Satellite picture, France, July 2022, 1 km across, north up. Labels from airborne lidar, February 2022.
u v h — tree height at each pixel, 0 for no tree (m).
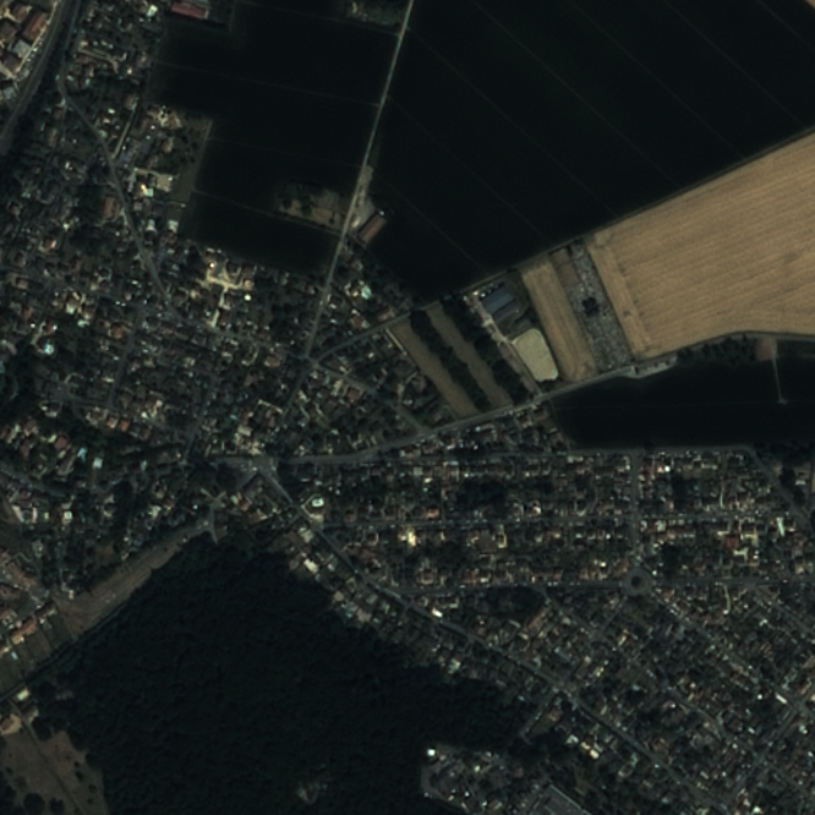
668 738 0
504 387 6
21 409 19
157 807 20
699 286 0
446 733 19
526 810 0
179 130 5
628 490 0
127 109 6
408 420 0
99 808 0
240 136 0
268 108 0
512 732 16
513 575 0
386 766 20
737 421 0
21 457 19
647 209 0
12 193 17
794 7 0
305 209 8
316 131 0
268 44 0
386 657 11
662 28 0
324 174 0
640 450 0
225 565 19
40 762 0
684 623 0
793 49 0
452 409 0
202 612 23
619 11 0
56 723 14
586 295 0
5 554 0
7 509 0
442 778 0
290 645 26
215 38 0
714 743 0
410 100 0
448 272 0
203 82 0
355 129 0
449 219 0
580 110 0
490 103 0
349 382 0
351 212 0
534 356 0
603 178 0
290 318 9
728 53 0
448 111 0
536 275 0
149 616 17
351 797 13
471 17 0
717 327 0
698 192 0
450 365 8
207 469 15
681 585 0
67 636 0
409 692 23
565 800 0
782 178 0
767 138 0
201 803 20
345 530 9
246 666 25
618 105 0
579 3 0
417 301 14
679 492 17
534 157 0
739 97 0
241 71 0
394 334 0
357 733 19
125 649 20
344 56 0
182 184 0
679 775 7
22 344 13
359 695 17
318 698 20
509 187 0
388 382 14
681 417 0
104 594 0
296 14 0
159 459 0
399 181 0
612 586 0
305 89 0
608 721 0
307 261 0
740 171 0
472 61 0
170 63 0
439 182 0
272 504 0
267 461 0
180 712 23
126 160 0
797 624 0
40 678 6
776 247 0
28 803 11
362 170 0
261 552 6
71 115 11
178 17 11
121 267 0
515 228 0
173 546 0
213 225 0
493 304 0
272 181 0
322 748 20
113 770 18
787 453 17
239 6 0
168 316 0
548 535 0
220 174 0
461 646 9
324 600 18
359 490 10
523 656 0
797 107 0
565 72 0
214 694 22
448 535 0
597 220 0
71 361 6
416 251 0
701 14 0
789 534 6
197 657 21
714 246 0
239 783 23
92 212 6
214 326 0
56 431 13
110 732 21
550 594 15
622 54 0
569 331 0
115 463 6
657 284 0
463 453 11
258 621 21
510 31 0
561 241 0
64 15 0
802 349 0
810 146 0
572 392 0
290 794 14
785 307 0
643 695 12
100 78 6
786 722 0
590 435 0
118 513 10
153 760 21
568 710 16
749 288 0
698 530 11
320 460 0
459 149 0
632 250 0
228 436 10
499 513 10
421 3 0
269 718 19
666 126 0
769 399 0
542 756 16
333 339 11
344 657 23
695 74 0
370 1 10
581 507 9
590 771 12
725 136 0
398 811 20
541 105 0
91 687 22
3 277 6
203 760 23
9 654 0
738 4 0
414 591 0
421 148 0
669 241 0
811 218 0
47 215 6
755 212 0
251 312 0
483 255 0
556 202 0
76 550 11
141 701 15
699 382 0
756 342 0
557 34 0
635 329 0
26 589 0
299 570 0
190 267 6
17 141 6
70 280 11
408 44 0
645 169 0
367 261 13
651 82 0
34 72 0
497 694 15
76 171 6
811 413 0
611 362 0
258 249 0
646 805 10
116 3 8
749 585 0
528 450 9
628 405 0
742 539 7
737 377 0
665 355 0
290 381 6
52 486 7
